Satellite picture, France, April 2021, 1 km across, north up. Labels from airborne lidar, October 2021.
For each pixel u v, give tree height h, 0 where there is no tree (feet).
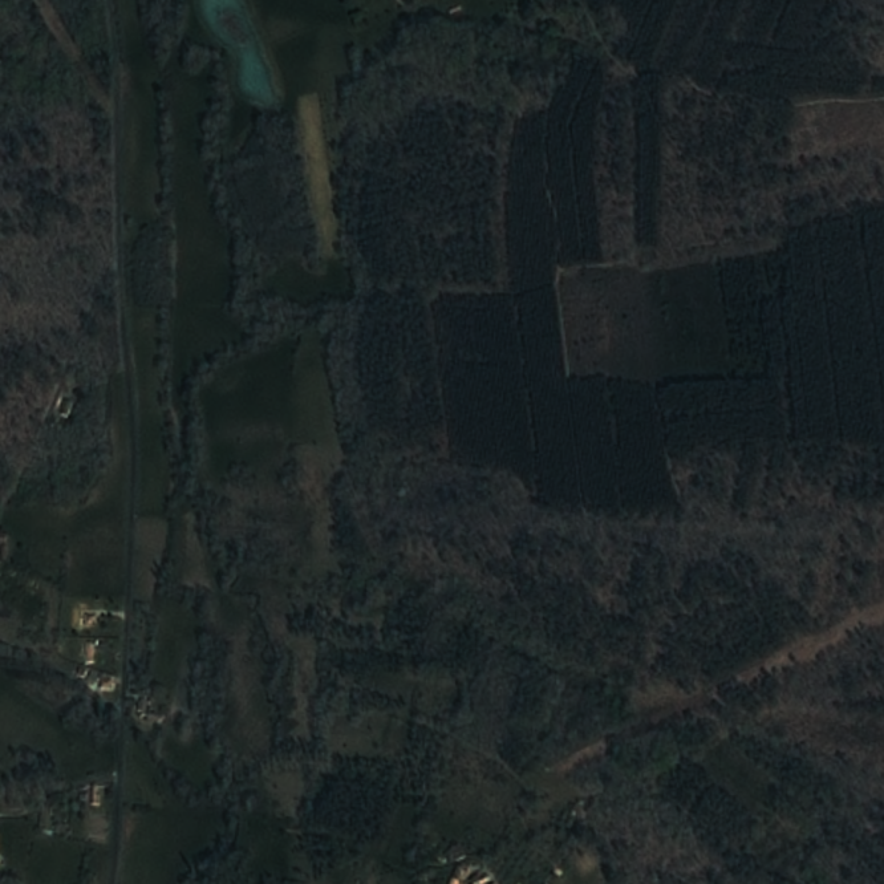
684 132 30
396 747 0
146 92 0
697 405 62
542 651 63
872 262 61
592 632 72
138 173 0
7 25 69
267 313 83
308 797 31
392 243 72
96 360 65
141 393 0
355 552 74
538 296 38
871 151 45
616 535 30
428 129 84
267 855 0
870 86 60
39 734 0
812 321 62
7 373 72
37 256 50
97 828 0
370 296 52
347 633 39
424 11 0
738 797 35
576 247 37
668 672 84
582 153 37
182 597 41
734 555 52
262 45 0
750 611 76
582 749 60
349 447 40
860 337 58
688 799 38
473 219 73
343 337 58
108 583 0
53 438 79
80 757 0
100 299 76
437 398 69
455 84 60
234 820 59
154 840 0
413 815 0
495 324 42
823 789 75
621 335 0
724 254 33
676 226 34
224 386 0
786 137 67
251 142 32
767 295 25
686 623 82
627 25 55
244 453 0
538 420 35
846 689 62
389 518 38
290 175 64
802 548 37
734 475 47
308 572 0
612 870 53
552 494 41
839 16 57
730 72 39
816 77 66
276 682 63
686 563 50
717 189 39
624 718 34
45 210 83
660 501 37
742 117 37
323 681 25
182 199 0
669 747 79
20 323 43
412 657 57
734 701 87
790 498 31
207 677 50
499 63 48
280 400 0
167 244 30
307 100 0
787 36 42
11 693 0
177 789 55
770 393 59
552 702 87
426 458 41
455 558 86
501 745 61
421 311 78
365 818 56
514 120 41
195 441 65
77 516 0
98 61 55
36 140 68
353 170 42
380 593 60
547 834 36
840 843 64
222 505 20
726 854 84
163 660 0
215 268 0
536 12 63
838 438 57
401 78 72
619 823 42
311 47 0
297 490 48
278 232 52
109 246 73
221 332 0
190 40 0
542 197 32
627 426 36
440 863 20
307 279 0
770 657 82
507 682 66
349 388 69
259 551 54
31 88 78
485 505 80
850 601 45
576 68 40
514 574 46
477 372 32
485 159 50
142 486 0
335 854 55
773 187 73
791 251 61
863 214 55
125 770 0
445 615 73
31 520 0
